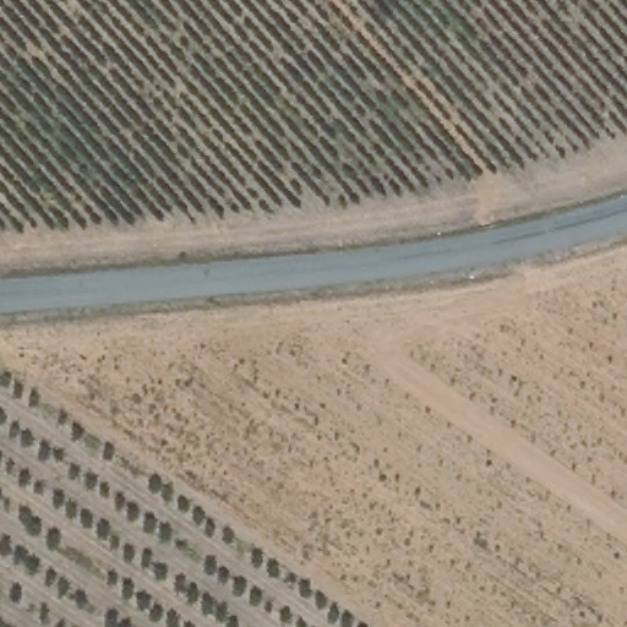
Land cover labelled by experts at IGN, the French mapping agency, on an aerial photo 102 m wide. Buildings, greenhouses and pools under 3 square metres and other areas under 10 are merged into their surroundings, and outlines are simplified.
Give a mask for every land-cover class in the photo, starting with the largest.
<instances>
[{"label":"agricultural land","instance_id":"1","mask_svg":"<svg viewBox=\"0 0 627 627\"><path fill-rule=\"evenodd\" d=\"M529 301H536L544 311L536 321H522L517 326L514 321L500 323L497 318H490L485 321V333H473L470 340L460 336L443 338L438 336L436 326H419V331L411 336L414 343H404L409 360L434 372L441 382L451 385L458 394L468 397L470 402L490 404L492 416H497L509 429L519 431L529 443L541 446L558 465L571 468L578 480L590 482L595 490L605 492L610 500L620 502L627 509V277L612 279L607 289L595 291V301L590 306H580V299L563 284L546 291L527 294ZM370 333L362 331L355 321L343 318L338 323L294 326L291 321H279V316H274V306L142 314L132 318H100L93 323L0 328V367L17 372L22 385H32L39 392L42 402H49L61 409L76 416V421L86 431L100 438L110 441L132 463L147 468L152 475H159L174 490L184 497L203 507V512L211 514L216 522H223L225 527H230L235 536L262 549V554L272 558L289 566L291 573L304 576L311 583V588L326 593L328 600H336L340 610H348L350 615L360 617L367 627H627V529L620 536H612L585 512L576 509L571 502H563L539 480L529 478L502 456L485 448L478 438H473V434L463 431L431 407L421 404L411 392L397 387L389 377H385L377 367H372L365 360Z\"/></svg>","mask_w":627,"mask_h":627},{"label":"vineyard","instance_id":"2","mask_svg":"<svg viewBox=\"0 0 627 627\"><path fill-rule=\"evenodd\" d=\"M622 135H627V0H0V230L22 233L24 228L37 225H47L51 230H66L76 225L93 228L108 220L118 225L122 220L135 223L137 218L152 216L162 220L167 213L176 208L186 216L191 225L211 211L216 216H225L247 211L252 218H260L262 213H279L282 206L289 203L301 206L304 189H311L328 208H348L377 193L426 196L448 179H478L480 174L490 171L507 174L509 169L524 167L531 159L551 171H558L566 149L588 152L598 137L620 140Z\"/></svg>","mask_w":627,"mask_h":627},{"label":"plowed land","instance_id":"3","mask_svg":"<svg viewBox=\"0 0 627 627\"><path fill-rule=\"evenodd\" d=\"M595 196H607L610 201L620 198L627 206V135H622L620 140L598 137L588 152L566 149L558 171H551L531 159L524 167L509 169L507 174L490 171L480 174L478 179H448L426 196L377 193L348 208H328L311 189H304L301 206L289 203L282 206L279 213H262L260 218H252L247 211L225 216H216L211 211L191 225L186 216L176 208L167 213L162 220L152 216L137 218L135 223L122 220L118 225L108 220L93 228L76 225L66 230H51L47 225H37L24 228L22 233L0 230V265L24 269L44 265H66L71 257L86 255H115L125 262L152 255L174 257L179 252L191 250L216 252L223 247H238L247 252H262L311 245H345L382 238L443 233L478 223L482 225ZM627 277V250L617 247L551 267L527 265H517L514 274L507 279L458 289L274 306V316H279V321H291L294 326L338 323L343 318L355 321L362 331L370 333L365 360L372 367H377L385 377H389L397 387L411 392L421 404L431 407L463 431L473 434V438H478L485 448L502 456L529 478L539 480L563 502H571L576 509L585 512L612 536H620L627 529V509L620 502L610 500L605 492L595 490L590 482L578 480L571 468L558 465L541 446L529 443L519 431L509 429L497 416H492L490 404L470 402L468 397L458 394L451 385L441 382L434 372L409 360L404 343H414L411 336L419 331V326H436L438 336L443 338L460 336L470 340L473 333H485V321L490 318H497L500 323L514 321L517 326L522 321H536L544 311L536 301H529L527 294L546 291L563 284L580 299V306H590L595 301V291L607 289L612 279ZM61 409L49 402H42L39 392L32 385H22V397H15L12 387L0 385V541L7 534L12 544L24 546L32 556L39 558L37 573H27V568L15 563V558L0 554V627H225L213 615H206L201 603H189L184 593H176V576H186V580L196 583L198 590H206L216 600L225 603L228 612L238 617V627H340V622L328 620V610L316 607L314 598H304L299 588H291L289 583H282L267 573L272 558L262 554V563L252 566L250 554H235V549H230L223 541L225 527L223 522H216L213 534L208 536L206 527L193 522L191 512L179 509V497H184L174 490L171 500L164 502L159 492L149 490L147 478H137L120 465V458L125 456L110 441L100 438L96 451L76 441L71 426L59 424ZM56 490H64V495H66V497L76 500V514H73V517H66V509H61V507H54V492H56ZM20 507H29L42 519L39 534H29L24 529V524L20 522ZM147 512L171 524L169 541L159 539V529H152L149 534L145 531ZM100 519H108V522H110V529H115V531H118V536H120V541H118V549H110V541H105V539H100V536H98V524H100ZM49 529H59L61 541L91 556L93 566L83 571L78 563L51 551L47 546ZM145 549H152V558L167 563V578L159 580L154 578V571L142 568ZM208 556H216L220 566L245 578V590L240 595L235 593L233 580H220L218 576L206 573ZM49 568L61 573L71 588L83 590L88 600L78 607L73 600L61 598L56 588H49L44 583ZM108 571L130 578L135 588L149 593L162 605V617L152 620L149 612L140 610L137 598H122V588L108 583Z\"/></svg>","mask_w":627,"mask_h":627},{"label":"pervious surface","instance_id":"4","mask_svg":"<svg viewBox=\"0 0 627 627\"><path fill-rule=\"evenodd\" d=\"M607 235L627 240V206L620 198L610 201L524 225L382 250L64 277H27L0 282V311L103 306L174 296H216L238 291L321 287L380 277L421 274L436 269H475L512 257H519L524 265H527L536 252H556L593 240H605Z\"/></svg>","mask_w":627,"mask_h":627},{"label":"herbaceous vegetation","instance_id":"5","mask_svg":"<svg viewBox=\"0 0 627 627\"><path fill-rule=\"evenodd\" d=\"M610 201L607 196H595L482 225L478 223L443 233L382 238L345 245H311L262 252H247L238 247H223L216 252L191 250L179 252L174 257L152 255L125 262L115 255H86L71 257L66 265H44L24 269L0 265V282L27 277H64L382 250L524 225ZM617 247L627 250V240L607 235L605 240H593L556 252H536L527 265L551 267ZM517 265H524L519 257H512L475 269H436L421 274L380 277L321 287L238 291L216 296H174L103 306L0 311V328L93 323L100 318H132L142 314L274 306L458 289L507 279L514 274Z\"/></svg>","mask_w":627,"mask_h":627},{"label":"deciduous trees","instance_id":"6","mask_svg":"<svg viewBox=\"0 0 627 627\"><path fill-rule=\"evenodd\" d=\"M0 385L12 387L15 397H22V385L17 372L0 367ZM59 424L71 426L76 441L96 451L100 438L86 431L76 421V416L61 409ZM120 465L137 478H147L149 490L159 492L164 502L171 500L174 490L159 475H152L147 468L132 463L125 456L120 458ZM54 507H61V509H66V517H73V514H76V500L66 497V495H64V490H56V492H54ZM179 509L191 512L193 522L206 527L208 536L213 534L216 522L211 514L203 512V507L184 497H179ZM20 522L24 524V529L29 534H39L42 519L29 507H20ZM152 529H159V539L169 541L171 524L147 512L145 531L149 534ZM98 536H100V539H105V541H110V549H118V541H120V536H118V531H115V529H110V522H108V519H100V524H98ZM223 541L230 549H235V554H250L252 566L262 563V549L235 536L230 527H225ZM47 546L51 551L78 563L83 571L93 566L91 556L61 541L59 529H49ZM0 554L15 558V563L27 568V573H37L39 558L32 556L24 546L12 544L7 534L0 541ZM142 568L154 571V578L159 580L167 578V563L152 558V549H145ZM206 573L218 576L220 580H233L235 593L240 595L245 590V578L220 566L216 556H208ZM267 573L282 583H289L291 588H299L304 598H314L316 607L328 610V620L340 622V627H367L360 617L350 615L348 610H340L336 600H328L326 593L311 588V583L304 576L291 573L289 566L272 558ZM44 583L49 588H56L61 598L73 600L78 607L88 600L83 590L71 588L61 573L49 568ZM108 583L122 588V598H137L140 610L149 612L152 620L162 617V605L149 593L135 588L130 578L108 571ZM176 593H184L189 603H201L206 615H213L225 627H238V617L228 612L225 603L216 600L206 590H198L196 583L186 580V576H176Z\"/></svg>","mask_w":627,"mask_h":627}]
</instances>
